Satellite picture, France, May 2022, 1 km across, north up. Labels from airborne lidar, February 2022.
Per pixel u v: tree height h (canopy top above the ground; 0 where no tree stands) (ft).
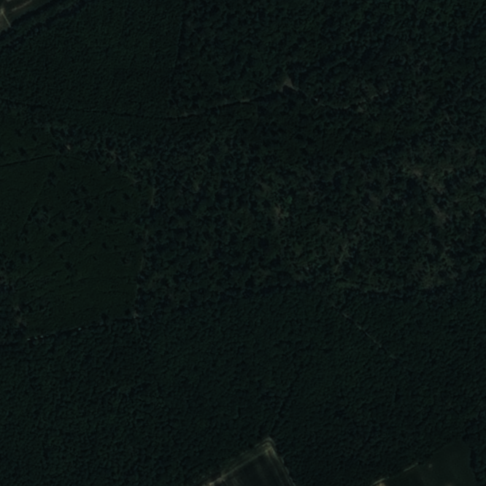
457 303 89
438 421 80
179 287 78
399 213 52
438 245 103
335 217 88
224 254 92
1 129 23
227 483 0
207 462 77
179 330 82
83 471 83
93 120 61
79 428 71
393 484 0
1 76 61
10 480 78
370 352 68
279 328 77
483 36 75
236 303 79
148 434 75
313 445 76
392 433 81
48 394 72
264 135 87
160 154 92
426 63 92
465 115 100
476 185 0
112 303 22
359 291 43
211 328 84
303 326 79
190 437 82
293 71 89
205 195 83
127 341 79
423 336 77
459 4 55
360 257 87
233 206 74
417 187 103
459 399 78
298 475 69
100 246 23
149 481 74
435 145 69
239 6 84
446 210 93
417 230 0
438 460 0
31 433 71
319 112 24
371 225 86
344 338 68
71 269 86
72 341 80
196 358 83
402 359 63
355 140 25
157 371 79
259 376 76
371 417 85
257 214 93
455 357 73
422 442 64
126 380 71
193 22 91
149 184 69
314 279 89
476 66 87
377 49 93
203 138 54
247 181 85
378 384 85
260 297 89
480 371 74
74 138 104
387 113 87
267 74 82
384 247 32
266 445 0
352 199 88
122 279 22
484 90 103
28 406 70
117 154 44
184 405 84
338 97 93
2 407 78
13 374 72
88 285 21
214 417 89
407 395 85
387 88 76
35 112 72
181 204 66
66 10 0
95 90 60
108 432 76
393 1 76
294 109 91
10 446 63
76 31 63
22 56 59
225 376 93
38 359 76
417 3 79
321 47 33
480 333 83
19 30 59
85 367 78
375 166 94
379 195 93
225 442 94
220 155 90
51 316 19
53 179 92
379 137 22
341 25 87
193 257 94
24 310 81
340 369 67
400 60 94
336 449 88
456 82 88
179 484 55
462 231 111
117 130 62
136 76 50
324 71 87
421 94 106
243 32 39
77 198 98
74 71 59
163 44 53
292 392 67
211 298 83
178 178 100
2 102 60
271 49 57
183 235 92
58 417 65
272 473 0
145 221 77
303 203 35
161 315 69
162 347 79
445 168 0
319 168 86
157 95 55
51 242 77
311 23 45
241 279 84
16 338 84
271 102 104
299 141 96
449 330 74
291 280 89
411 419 83
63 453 72
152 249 89
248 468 0
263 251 106
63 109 65
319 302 76
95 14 55
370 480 62
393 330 72
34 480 74
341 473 78
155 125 64
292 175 73
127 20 61
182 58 88
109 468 73
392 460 80
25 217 23
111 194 20
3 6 0
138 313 73
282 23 63
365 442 84
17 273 70
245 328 88
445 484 0
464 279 85
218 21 81
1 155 89
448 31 85
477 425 72
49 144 19
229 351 87
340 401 81
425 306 72
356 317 78
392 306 81
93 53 61
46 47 63
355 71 96
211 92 71
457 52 92
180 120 37
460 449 0
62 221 85
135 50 53
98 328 74
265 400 73
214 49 76
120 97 54
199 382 88
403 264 45
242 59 84
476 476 56
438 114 56
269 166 66
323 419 87
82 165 19
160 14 48
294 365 72
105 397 73
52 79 62
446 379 80
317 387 80
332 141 21
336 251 0
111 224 89
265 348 92
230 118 89
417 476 0
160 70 58
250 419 81
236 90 80
